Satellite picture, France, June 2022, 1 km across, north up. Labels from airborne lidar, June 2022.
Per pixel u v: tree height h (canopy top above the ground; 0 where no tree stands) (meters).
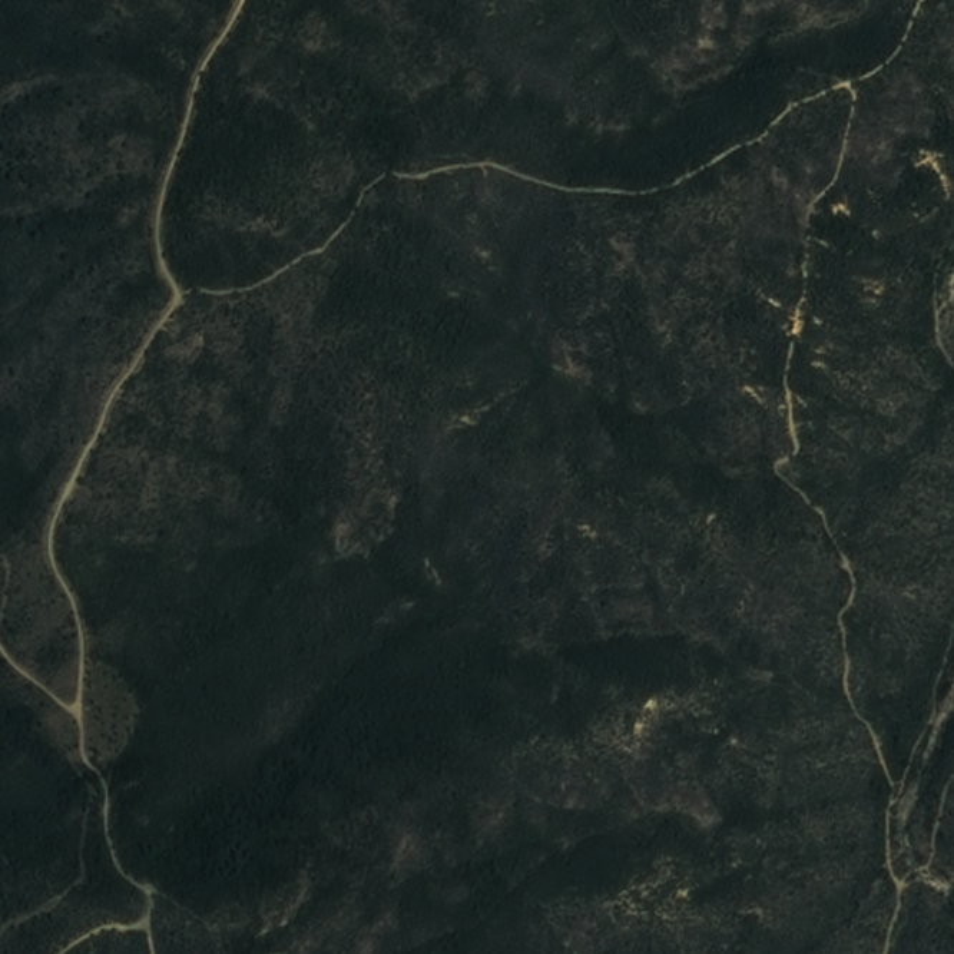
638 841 8
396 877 8
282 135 6
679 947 7
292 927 8
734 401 7
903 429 0
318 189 7
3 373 0
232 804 8
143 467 6
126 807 6
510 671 8
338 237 0
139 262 7
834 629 6
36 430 0
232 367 6
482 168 0
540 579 7
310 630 8
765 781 6
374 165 6
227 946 6
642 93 10
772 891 0
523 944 6
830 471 7
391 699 6
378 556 11
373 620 8
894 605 0
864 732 0
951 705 0
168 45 6
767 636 0
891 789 9
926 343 6
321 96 9
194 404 6
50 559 0
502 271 0
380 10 9
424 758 7
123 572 7
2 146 8
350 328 7
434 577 0
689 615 0
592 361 5
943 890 0
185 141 8
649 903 6
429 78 0
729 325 9
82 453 0
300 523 9
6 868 6
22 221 10
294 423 6
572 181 8
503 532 7
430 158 0
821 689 0
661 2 8
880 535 0
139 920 0
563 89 0
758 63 8
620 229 6
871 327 6
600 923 6
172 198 6
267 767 7
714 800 8
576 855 6
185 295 6
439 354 9
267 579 7
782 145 7
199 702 6
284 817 8
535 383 8
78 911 6
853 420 0
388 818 6
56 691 0
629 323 13
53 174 7
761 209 0
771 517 7
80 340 0
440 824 7
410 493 11
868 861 8
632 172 7
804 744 0
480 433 7
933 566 6
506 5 0
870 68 7
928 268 11
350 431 7
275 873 6
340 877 6
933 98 7
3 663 8
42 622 0
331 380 8
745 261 8
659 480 6
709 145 6
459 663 8
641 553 7
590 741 7
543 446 7
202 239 7
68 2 8
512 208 0
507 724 7
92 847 5
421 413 6
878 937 8
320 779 7
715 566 7
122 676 8
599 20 0
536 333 0
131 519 8
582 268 6
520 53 0
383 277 12
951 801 0
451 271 11
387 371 6
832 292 7
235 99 6
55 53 7
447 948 8
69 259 6
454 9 6
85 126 9
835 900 0
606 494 8
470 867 10
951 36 0
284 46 7
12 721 7
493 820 0
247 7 8
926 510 0
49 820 6
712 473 7
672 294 6
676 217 6
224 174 6
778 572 0
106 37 9
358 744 6
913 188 11
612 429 9
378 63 7
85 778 8
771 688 0
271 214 7
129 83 0
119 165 6
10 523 5
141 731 9
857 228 9
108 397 0
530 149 6
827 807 6
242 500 8
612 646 6
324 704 7
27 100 9
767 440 7
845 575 8
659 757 6
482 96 6
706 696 0
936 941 7
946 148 7
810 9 0
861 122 0
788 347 10
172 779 6
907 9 6
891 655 0
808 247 6
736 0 6
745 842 0
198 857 10
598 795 0
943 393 7
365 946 0
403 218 7
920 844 0
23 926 6
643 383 7
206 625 6
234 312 7
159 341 7
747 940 6
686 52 0
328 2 6
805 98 6
